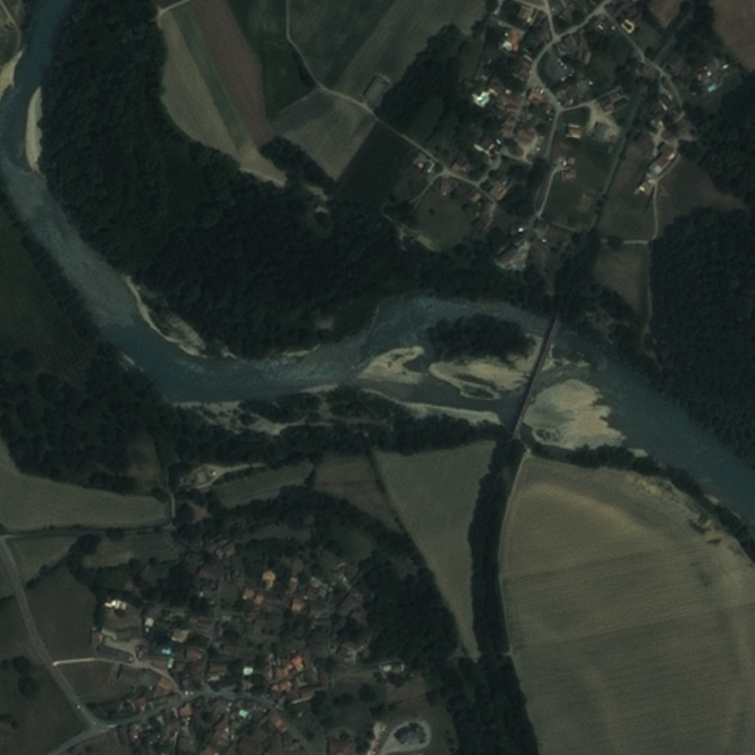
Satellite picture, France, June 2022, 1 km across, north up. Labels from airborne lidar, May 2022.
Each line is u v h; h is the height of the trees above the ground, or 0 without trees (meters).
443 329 16
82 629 0
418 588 28
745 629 0
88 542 19
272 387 0
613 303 17
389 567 12
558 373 0
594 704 0
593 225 0
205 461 15
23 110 0
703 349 23
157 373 0
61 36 27
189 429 15
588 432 0
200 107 0
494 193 0
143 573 9
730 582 0
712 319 19
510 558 0
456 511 0
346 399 8
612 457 32
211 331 24
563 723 0
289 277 17
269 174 0
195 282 8
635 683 0
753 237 14
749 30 0
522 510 0
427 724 0
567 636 0
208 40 0
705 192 0
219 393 0
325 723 15
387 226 26
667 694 0
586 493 0
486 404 0
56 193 21
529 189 10
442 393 0
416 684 0
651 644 0
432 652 21
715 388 20
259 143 0
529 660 0
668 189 0
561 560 0
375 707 16
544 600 0
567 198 0
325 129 0
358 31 0
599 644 0
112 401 10
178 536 12
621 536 0
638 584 0
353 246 27
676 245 19
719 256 8
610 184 0
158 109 16
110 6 6
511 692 16
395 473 0
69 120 28
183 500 12
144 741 9
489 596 15
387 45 0
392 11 0
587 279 17
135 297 0
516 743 16
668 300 26
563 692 0
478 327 20
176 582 18
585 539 0
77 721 0
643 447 0
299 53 7
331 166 0
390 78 0
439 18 0
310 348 28
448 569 0
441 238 0
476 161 12
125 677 0
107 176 30
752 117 21
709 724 0
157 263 18
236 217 25
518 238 12
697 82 9
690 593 0
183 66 0
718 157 23
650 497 0
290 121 0
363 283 23
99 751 0
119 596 10
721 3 0
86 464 21
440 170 9
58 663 0
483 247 17
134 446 0
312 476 9
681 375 15
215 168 28
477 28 13
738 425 10
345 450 26
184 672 6
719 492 0
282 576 8
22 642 0
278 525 7
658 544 0
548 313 19
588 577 0
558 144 0
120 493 13
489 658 16
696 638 0
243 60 0
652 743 0
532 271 13
